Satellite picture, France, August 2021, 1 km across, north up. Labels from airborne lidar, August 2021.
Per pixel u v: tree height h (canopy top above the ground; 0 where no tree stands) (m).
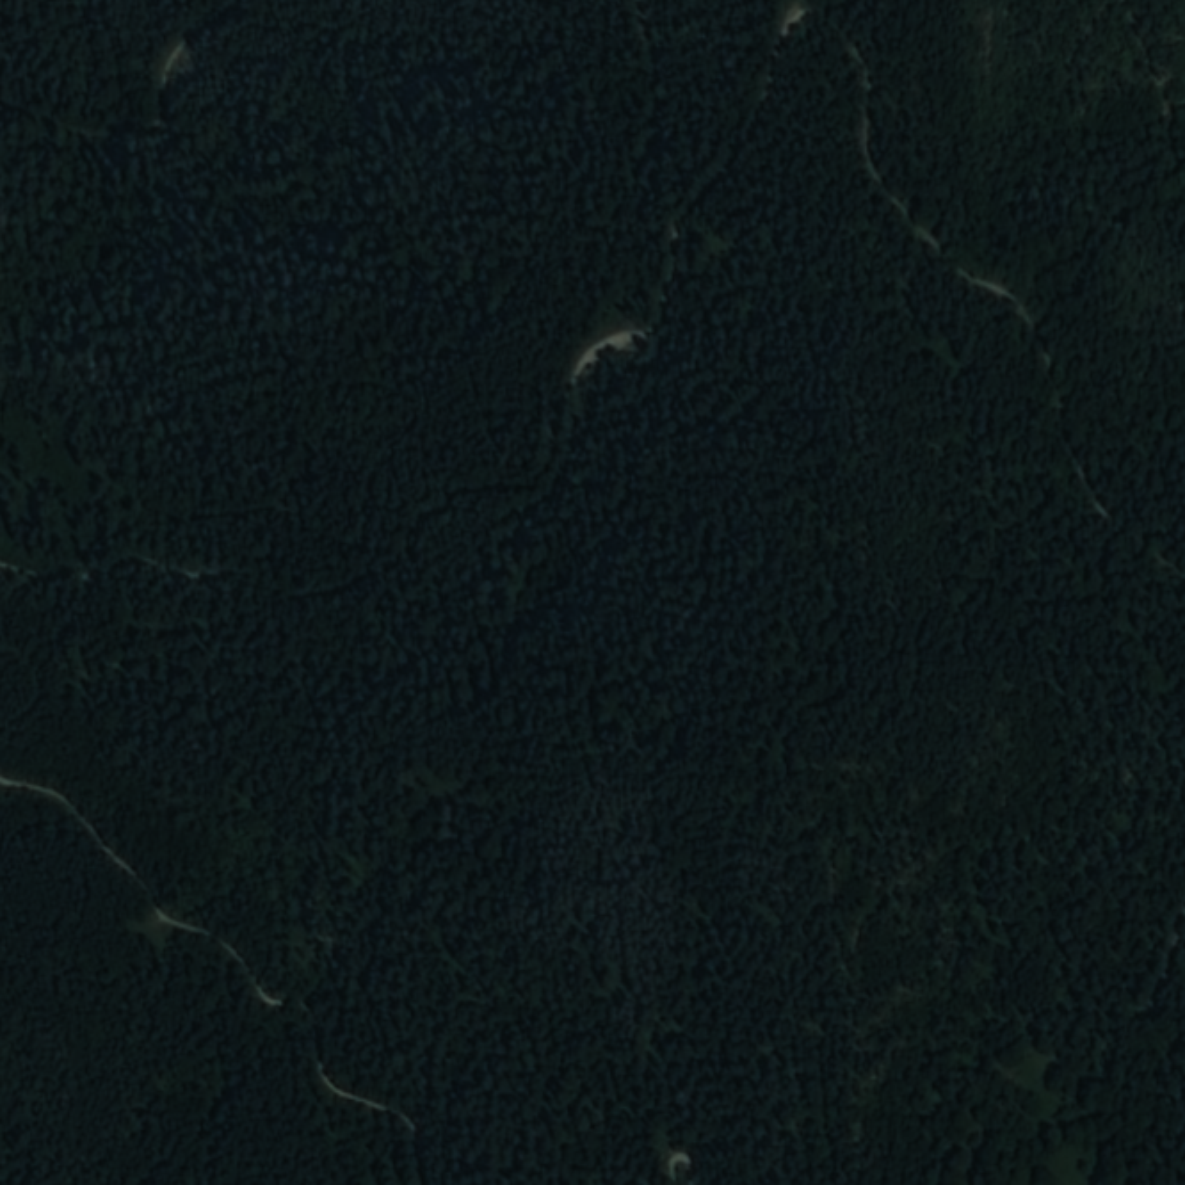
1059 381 17
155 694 19
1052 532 26
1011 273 14
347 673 18
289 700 14
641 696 21
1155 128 24
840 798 22
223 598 20
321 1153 23
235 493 23
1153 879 14
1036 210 21
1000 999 7
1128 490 18
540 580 14
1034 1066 0
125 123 7
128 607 20
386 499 13
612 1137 16
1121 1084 24
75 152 17
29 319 15
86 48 25
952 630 23
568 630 12
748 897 26
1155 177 20
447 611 14
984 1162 26
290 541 19
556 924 31
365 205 23
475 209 33
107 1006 20
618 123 20
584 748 9
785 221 25
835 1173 18
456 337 17
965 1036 27
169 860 6
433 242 10
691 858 19
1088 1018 27
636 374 22
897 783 9
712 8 10
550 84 16
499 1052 31
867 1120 7
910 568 17
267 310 29
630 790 23
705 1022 32
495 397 16
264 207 9
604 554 13
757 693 21
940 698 18
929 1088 16
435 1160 24
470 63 19
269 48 21
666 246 22
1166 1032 22
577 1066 17
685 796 22
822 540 15
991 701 22
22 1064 14
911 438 18
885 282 14
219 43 22
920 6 21
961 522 21
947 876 8
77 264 24
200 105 20
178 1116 15
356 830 26
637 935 34
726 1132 18
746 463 23
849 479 19
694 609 13
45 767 8
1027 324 10
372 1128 9
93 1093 20
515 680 18
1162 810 20
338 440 16
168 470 14
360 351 10
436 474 14
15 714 18
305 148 33
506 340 19
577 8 18
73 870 28
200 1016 24
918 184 17
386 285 22
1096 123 8
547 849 19
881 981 12
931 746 20
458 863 25
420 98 8
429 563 18
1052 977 23
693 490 23
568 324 14
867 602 12
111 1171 19
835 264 31
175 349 23
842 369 10
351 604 19
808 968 14
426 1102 14
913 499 12
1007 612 25
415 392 19
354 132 7
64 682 17
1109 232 23
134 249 8
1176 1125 21
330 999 17
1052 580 33
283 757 28
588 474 19
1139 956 16
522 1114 29
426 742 22
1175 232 25
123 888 20
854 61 19
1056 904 14
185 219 34
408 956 14
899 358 30
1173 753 32
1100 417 16
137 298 18
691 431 6
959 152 20
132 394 18
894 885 18
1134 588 30
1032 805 12
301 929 17
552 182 27
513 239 15
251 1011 22
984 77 6
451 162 7
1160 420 21
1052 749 12
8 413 19
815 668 17
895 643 14
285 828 17
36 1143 18
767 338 26
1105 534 19
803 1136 10
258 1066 18
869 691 24
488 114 12
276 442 22
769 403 31
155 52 16
